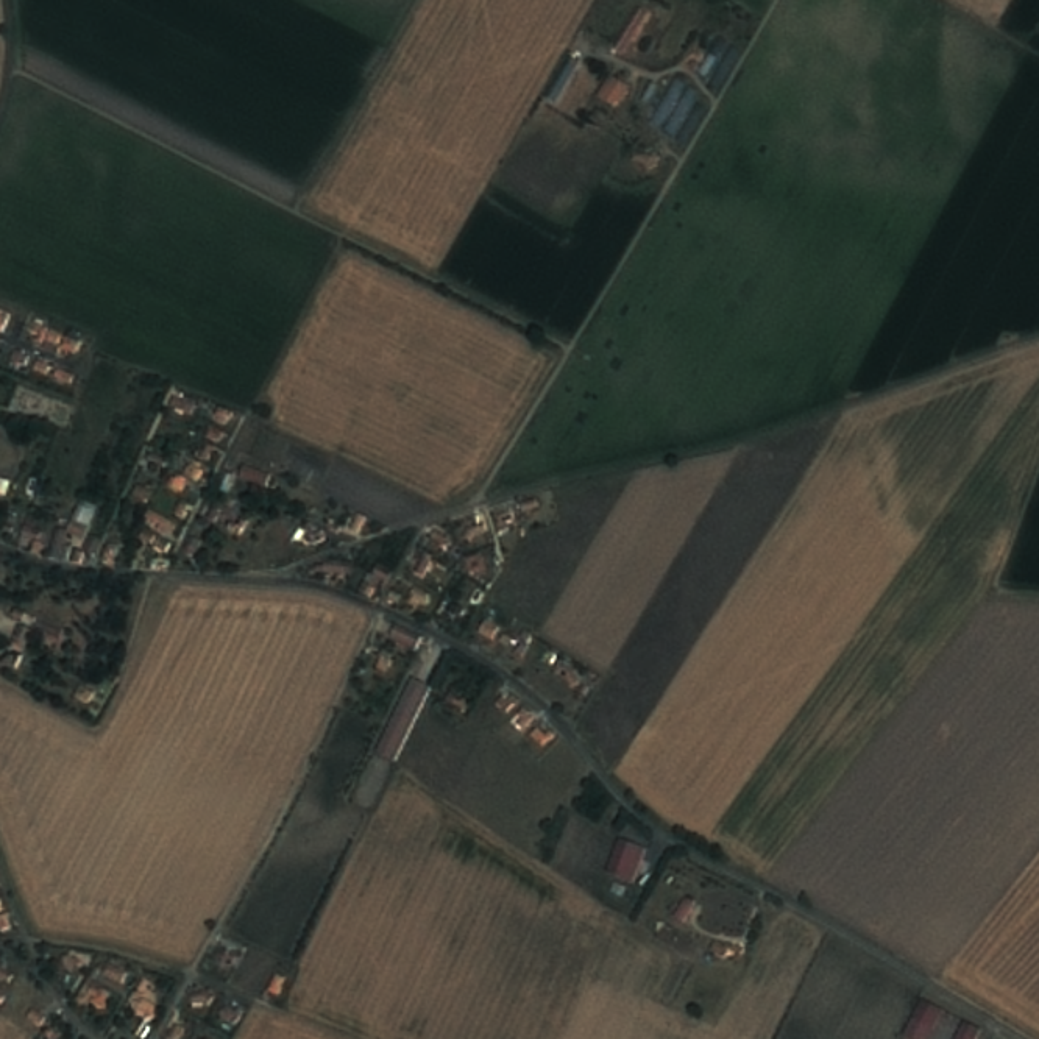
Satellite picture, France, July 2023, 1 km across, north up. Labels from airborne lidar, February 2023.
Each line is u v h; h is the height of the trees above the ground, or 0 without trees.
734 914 0
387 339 0
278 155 0
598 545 0
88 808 0
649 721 0
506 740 0
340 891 0
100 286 0
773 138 0
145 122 0
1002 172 0
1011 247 0
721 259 0
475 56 0
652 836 12
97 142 0
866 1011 0
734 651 0
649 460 0
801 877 0
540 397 0
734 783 0
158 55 0
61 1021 9
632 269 0
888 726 0
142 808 0
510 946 0
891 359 0
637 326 0
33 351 0
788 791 0
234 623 0
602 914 0
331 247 0
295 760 0
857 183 0
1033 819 0
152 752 0
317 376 0
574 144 0
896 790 0
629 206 0
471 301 6
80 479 0
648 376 0
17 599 12
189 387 0
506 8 0
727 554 0
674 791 0
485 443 0
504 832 0
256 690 0
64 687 7
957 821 0
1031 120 0
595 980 0
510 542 0
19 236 0
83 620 18
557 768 0
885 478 0
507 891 0
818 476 0
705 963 0
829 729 0
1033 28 0
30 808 0
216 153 0
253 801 0
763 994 0
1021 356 0
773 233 0
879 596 0
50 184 0
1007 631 0
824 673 0
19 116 0
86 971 8
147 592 0
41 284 0
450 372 0
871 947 0
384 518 0
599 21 0
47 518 8
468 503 0
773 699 0
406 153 0
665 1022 0
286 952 0
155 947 0
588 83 0
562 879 0
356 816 0
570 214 0
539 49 0
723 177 0
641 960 0
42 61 0
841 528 0
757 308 0
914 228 0
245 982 0
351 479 0
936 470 0
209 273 0
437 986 0
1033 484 0
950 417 0
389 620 0
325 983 0
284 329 0
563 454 0
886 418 0
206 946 0
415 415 0
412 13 0
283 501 14
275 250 0
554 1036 0
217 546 7
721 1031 0
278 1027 0
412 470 0
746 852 0
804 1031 0
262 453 0
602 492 0
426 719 0
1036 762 0
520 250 0
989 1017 0
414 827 0
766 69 0
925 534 0
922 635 0
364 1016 0
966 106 0
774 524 0
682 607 0
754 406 0
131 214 0
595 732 0
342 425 0
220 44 0
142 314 0
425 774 0
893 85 0
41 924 0
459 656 6
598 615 0
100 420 0
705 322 0
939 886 0
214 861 0
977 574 0
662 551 0
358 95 0
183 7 0
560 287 0
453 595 7
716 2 0
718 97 0
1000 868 0
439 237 0
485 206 0
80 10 0
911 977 0
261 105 0
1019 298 0
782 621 0
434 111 0
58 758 0
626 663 0
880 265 0
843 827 0
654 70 0
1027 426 0
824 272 0
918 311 0
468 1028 0
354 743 0
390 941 0
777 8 0
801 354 0
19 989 0
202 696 0
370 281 0
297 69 0
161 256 0
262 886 0
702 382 0
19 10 0
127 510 11
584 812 8
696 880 0
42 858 0
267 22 0
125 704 0
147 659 0
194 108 0
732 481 0
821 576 0
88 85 0
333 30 0
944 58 0
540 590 0
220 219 0
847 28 0
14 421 11
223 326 0
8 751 0
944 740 0
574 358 0
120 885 0
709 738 0
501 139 0
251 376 0
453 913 0
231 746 0
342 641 0
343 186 0
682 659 0
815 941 0
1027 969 0
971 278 0
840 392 0
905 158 0
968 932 0
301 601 0
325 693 0
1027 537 0
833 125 0
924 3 0
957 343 0
